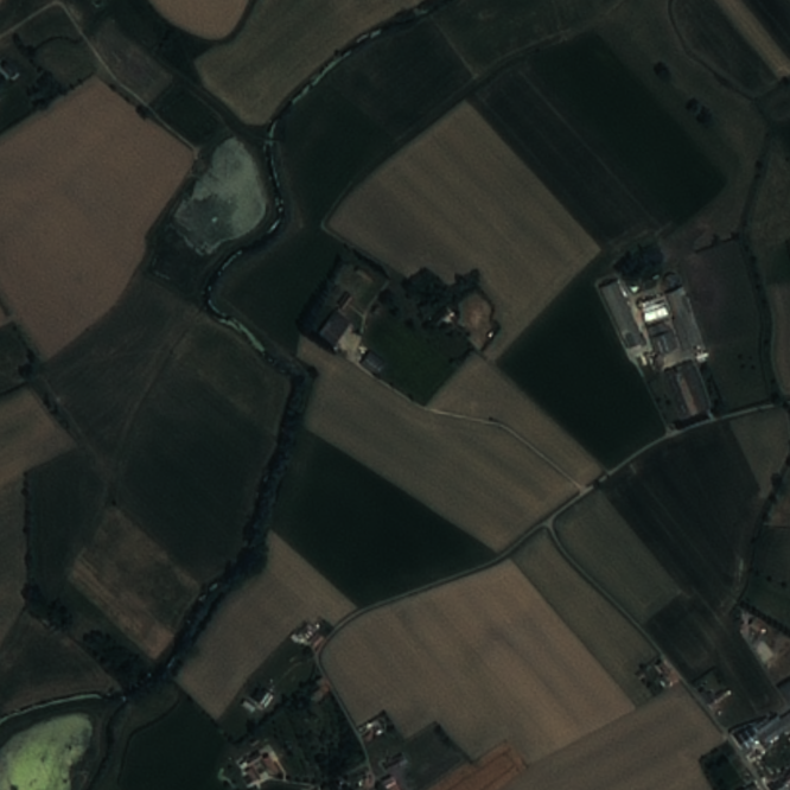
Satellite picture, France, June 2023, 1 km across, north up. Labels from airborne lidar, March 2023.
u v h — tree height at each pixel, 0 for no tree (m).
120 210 0
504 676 0
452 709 0
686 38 0
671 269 0
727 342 0
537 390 0
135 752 0
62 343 0
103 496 0
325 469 0
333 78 0
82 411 0
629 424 0
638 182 0
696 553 0
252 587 0
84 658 0
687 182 0
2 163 0
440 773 0
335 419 0
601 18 0
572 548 0
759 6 0
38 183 0
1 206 0
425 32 0
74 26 0
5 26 0
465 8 0
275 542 0
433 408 0
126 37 0
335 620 0
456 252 0
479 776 0
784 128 0
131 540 0
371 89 0
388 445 0
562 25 0
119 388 0
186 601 0
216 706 0
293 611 0
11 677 0
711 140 0
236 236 0
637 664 0
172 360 0
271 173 0
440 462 0
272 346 0
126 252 0
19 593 0
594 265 0
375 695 0
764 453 0
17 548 0
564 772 0
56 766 0
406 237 0
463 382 0
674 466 0
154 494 0
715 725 0
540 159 0
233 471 0
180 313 0
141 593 0
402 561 0
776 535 0
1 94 10
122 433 0
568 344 0
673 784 0
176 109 0
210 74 0
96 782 0
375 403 0
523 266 0
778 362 0
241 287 0
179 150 0
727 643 0
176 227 0
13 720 0
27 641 0
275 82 0
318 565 0
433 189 0
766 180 0
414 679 0
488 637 0
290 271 0
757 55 0
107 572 0
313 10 0
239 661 0
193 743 0
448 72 0
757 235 0
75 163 0
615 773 0
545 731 0
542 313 0
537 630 0
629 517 0
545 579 0
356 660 0
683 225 0
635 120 0
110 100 0
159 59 0
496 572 0
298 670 0
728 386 0
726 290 0
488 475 0
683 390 0
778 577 0
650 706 0
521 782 0
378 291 0
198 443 0
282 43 0
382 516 0
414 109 0
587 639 0
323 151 0
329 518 0
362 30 0
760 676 0
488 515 0
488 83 0
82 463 0
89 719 0
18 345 0
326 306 0
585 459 0
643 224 0
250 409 0
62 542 0
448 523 0
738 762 0
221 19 0
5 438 0
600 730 0
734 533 0
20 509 0
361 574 0
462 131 0
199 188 0
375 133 0
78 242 0
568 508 0
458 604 0
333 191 0
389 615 0
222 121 0
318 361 0
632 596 0
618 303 0
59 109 0
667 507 0
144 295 0
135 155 0
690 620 0
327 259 0
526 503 0
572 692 0
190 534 0
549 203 0
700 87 0
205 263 0
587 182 0
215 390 0
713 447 0
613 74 0
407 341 0
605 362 0
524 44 0
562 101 0
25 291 0
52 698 0
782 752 0
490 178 0
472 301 0
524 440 0
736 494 0
